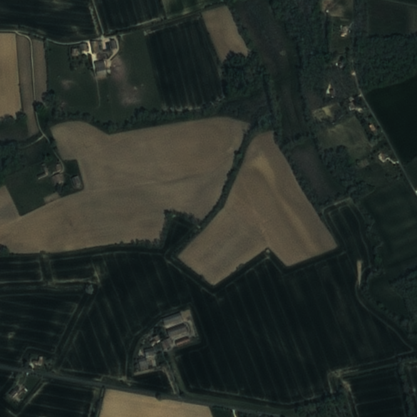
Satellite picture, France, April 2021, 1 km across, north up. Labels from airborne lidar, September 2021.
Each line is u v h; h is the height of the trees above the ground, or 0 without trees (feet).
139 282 0
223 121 0
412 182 0
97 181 0
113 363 0
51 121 38
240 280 0
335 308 0
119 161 0
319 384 0
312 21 53
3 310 0
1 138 0
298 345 0
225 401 0
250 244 0
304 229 0
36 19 0
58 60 0
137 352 0
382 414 0
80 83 0
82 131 0
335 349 0
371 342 0
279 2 57
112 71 0
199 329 0
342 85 50
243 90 99
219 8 0
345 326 0
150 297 0
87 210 0
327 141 0
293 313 0
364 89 35
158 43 0
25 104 0
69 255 0
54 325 0
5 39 0
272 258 0
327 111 0
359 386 0
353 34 30
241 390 0
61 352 0
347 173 55
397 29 0
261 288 0
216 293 0
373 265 0
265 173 0
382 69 54
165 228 39
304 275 0
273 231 0
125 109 0
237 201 0
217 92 0
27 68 0
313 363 0
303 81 73
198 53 0
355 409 0
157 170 0
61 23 0
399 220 0
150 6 0
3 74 0
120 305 0
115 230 0
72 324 0
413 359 46
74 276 0
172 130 0
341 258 0
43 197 0
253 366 0
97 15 0
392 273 0
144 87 0
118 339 0
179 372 0
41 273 0
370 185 20
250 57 21
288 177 0
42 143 0
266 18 0
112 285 0
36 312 0
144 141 0
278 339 0
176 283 0
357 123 0
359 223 0
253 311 0
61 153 0
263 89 22
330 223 0
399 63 64
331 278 0
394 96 0
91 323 0
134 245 38
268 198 0
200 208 0
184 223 0
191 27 0
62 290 0
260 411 0
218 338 0
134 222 0
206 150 0
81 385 0
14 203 0
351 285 0
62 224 0
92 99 0
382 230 0
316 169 0
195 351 0
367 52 62
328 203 29
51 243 0
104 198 0
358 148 0
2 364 0
